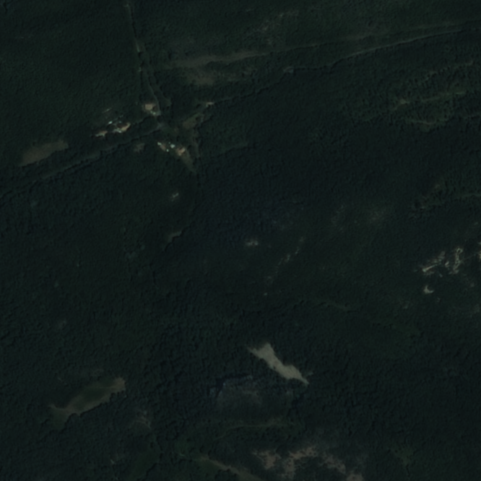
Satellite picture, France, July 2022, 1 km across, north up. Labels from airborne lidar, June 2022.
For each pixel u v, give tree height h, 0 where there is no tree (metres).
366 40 7
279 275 10
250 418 16
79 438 12
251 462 9
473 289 8
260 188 14
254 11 14
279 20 10
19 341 19
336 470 8
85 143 19
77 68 16
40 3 16
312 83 21
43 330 20
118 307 15
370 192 8
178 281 12
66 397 13
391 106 18
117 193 13
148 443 11
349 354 15
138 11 17
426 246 9
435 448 12
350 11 13
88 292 15
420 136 20
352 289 13
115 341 21
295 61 10
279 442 13
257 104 19
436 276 10
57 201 22
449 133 20
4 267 19
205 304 20
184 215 18
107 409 15
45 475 8
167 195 8
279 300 16
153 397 23
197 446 22
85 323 15
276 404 9
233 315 20
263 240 7
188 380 14
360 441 11
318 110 20
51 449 10
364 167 17
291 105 20
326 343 14
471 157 14
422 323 17
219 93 15
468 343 15
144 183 18
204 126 13
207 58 0
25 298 18
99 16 13
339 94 16
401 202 10
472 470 13
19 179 20
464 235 7
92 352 8
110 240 18
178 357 9
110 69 11
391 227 10
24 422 8
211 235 13
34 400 16
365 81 15
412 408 17
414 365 17
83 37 19
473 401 11
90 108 14
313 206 11
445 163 18
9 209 23
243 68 6
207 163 12
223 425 10
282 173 19
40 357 17
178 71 9
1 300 10
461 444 21
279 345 16
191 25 15
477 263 13
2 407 17
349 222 14
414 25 13
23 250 6
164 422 16
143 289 19
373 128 20
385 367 11
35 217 15
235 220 12
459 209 14
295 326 15
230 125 11
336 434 8
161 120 18
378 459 13
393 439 15
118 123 6
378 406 10
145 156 16
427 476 9
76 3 27
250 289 18
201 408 14
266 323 18
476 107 9
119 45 18
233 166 15
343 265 9
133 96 8
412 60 16
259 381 8
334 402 16
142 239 20
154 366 18
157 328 17
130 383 14
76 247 15
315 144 21
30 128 17
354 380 24
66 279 12
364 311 16
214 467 0
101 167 20
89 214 15
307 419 17
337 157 18
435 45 23
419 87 10
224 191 12
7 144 18
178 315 10
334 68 22
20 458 14
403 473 11
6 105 20
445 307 10
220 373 11
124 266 26
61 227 23
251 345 11
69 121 13
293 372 0
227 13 17
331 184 14
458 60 14
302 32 13
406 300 6
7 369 13
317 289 14
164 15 15
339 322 17
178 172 20
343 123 14
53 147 0
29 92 12
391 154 11
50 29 11
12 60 12
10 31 12
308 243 15
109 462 10
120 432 10
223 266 8
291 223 6
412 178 12
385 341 9
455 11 18
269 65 16
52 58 15
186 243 17
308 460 7
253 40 10
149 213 20
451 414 10
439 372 18
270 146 15
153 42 11
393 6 6
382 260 11
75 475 17
